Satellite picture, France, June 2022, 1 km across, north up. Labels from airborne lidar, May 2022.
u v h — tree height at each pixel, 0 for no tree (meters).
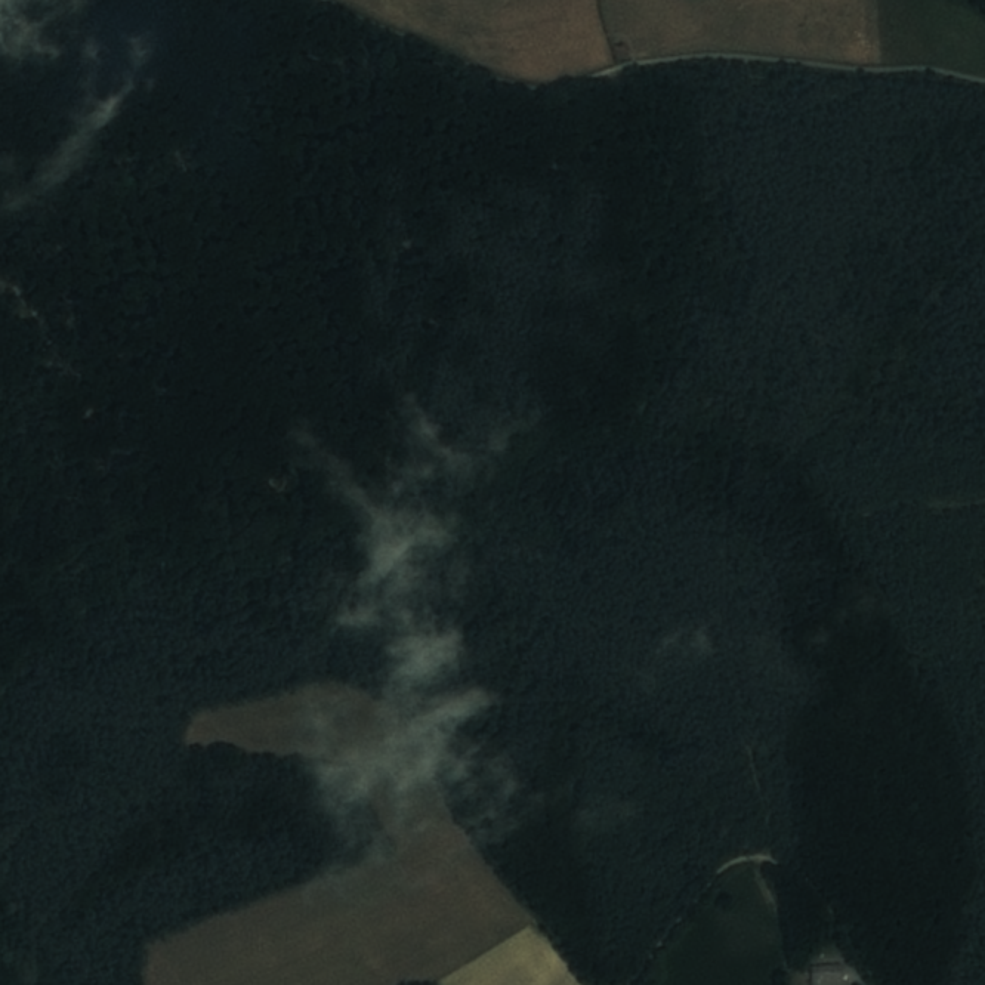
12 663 25
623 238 33
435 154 24
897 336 18
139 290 34
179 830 28
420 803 0
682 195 27
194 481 24
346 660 23
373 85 33
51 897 25
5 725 16
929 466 11
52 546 25
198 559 17
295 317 37
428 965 0
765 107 23
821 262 22
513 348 23
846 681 23
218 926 0
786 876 13
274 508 20
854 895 20
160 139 30
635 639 25
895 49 0
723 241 8
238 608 25
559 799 25
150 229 31
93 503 25
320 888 0
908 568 7
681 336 13
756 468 20
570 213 24
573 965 15
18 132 33
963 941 26
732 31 0
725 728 25
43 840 23
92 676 20
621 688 24
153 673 14
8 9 29
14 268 25
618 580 25
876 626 23
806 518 27
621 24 0
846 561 28
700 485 19
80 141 32
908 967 25
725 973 0
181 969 0
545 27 0
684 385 23
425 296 24
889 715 23
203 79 29
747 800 13
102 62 36
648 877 7
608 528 24
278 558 19
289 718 0
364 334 27
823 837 16
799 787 15
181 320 28
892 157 24
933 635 18
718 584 24
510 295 24
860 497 16
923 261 25
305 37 29
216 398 28
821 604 26
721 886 7
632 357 32
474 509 15
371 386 30
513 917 0
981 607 10
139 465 28
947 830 25
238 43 30
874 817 17
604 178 24
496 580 26
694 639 24
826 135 22
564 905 22
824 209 23
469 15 0
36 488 14
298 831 29
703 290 25
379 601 24
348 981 0
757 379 24
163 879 23
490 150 30
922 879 25
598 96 26
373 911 0
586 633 25
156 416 27
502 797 28
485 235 23
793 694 23
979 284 23
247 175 35
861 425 9
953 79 7
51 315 22
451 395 25
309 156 36
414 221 24
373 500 19
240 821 28
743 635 25
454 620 24
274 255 37
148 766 24
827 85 18
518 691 23
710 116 25
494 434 7
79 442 17
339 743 0
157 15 29
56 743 19
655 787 8
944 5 0
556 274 23
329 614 18
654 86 10
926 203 24
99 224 36
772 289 21
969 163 26
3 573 21
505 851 24
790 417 22
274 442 28
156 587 16
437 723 26
